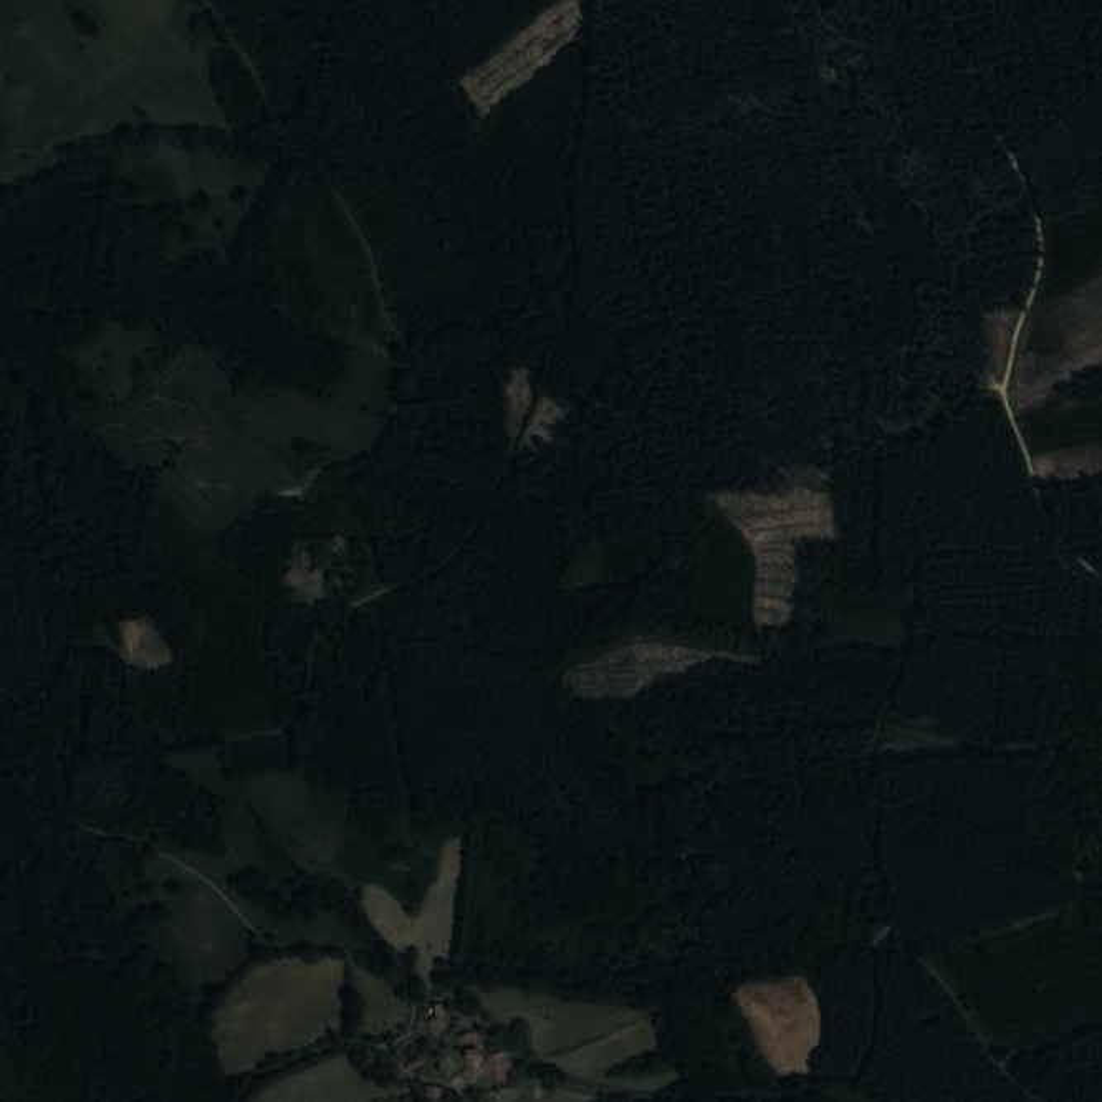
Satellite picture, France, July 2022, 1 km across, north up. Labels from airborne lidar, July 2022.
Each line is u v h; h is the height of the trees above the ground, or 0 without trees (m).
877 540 16
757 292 26
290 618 7
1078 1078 20
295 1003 0
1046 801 7
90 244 19
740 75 21
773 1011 0
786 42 21
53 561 8
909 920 25
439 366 20
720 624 13
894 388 22
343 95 21
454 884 0
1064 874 12
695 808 24
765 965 16
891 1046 22
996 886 23
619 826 18
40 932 23
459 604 15
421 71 15
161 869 0
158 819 16
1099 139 29
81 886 21
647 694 6
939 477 14
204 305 22
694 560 10
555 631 13
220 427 0
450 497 17
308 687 15
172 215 10
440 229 10
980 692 17
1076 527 29
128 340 0
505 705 20
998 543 17
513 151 9
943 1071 22
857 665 10
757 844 23
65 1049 17
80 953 19
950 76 21
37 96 0
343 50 28
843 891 14
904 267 13
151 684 8
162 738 6
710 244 35
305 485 0
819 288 22
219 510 0
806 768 22
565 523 33
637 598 22
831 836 25
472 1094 14
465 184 13
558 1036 0
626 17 31
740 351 24
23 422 10
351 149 17
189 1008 16
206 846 13
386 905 0
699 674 9
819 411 23
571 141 20
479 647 10
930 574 25
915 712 19
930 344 23
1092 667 15
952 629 20
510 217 12
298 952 17
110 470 29
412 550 19
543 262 23
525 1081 12
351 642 10
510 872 8
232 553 11
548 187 11
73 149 17
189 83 0
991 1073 21
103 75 0
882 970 23
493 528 20
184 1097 20
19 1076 20
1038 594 23
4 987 17
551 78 11
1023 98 28
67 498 28
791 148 24
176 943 0
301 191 32
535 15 8
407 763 18
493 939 6
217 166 0
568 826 9
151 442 0
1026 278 18
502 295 20
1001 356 0
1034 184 21
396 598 7
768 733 6
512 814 9
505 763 14
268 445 0
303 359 18
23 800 14
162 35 0
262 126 15
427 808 17
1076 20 29
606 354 8
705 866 23
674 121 21
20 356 24
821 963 15
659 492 31
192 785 6
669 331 35
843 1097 0
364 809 8
